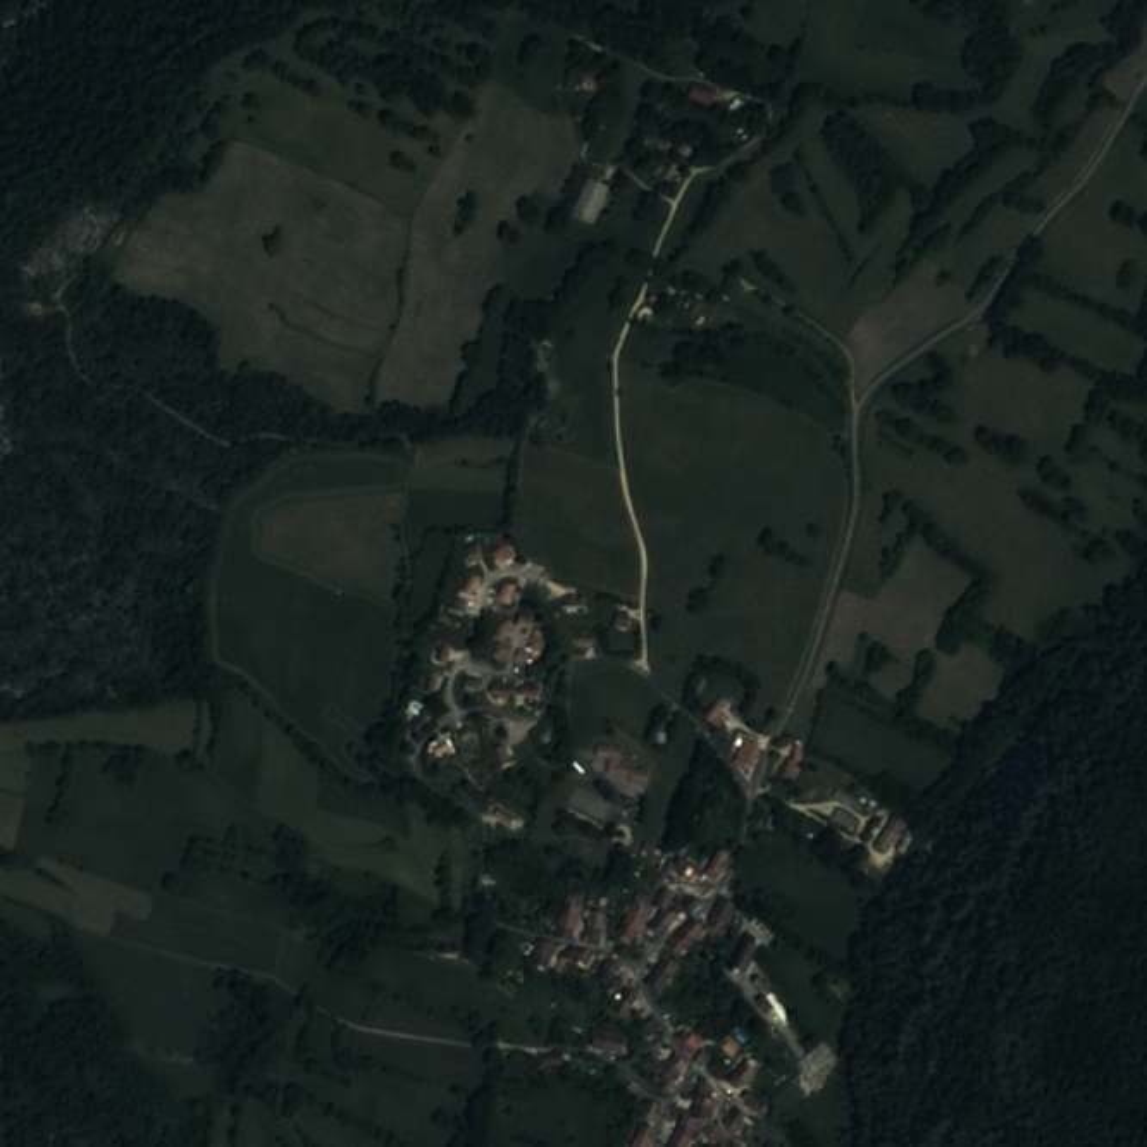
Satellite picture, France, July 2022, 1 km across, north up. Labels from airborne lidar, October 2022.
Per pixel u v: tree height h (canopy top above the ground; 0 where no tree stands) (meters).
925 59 0
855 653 0
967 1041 10
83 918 0
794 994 0
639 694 0
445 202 0
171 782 0
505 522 11
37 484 8
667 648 0
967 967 5
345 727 0
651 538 0
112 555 7
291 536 0
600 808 0
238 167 0
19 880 0
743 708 11
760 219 0
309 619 0
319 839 0
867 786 7
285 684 0
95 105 20
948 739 8
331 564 0
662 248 0
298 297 0
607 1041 0
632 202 0
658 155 8
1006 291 13
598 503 0
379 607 0
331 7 13
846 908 0
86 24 12
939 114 14
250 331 0
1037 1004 13
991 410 0
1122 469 14
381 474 0
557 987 8
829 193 0
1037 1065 10
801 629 0
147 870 0
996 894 8
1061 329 0
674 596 0
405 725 12
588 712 0
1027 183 13
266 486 0
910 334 0
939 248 7
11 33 8
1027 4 0
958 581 0
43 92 20
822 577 0
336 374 0
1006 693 17
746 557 0
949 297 0
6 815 0
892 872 6
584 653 0
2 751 0
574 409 0
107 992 0
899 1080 6
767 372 0
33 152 19
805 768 11
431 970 0
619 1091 6
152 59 19
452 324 0
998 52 14
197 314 13
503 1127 0
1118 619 28
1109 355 0
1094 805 10
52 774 0
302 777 0
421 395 0
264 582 0
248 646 0
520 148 0
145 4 17
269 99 0
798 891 0
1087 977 13
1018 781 8
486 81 9
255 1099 6
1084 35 0
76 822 0
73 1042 8
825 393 11
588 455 0
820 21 0
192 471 7
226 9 20
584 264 14
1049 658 14
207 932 0
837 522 0
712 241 0
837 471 0
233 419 6
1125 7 8
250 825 0
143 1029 0
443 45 15
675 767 0
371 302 0
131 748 11
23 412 8
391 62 18
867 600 0
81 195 9
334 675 0
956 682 0
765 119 12
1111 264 0
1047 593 0
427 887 0
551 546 0
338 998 0
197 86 8
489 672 0
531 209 14
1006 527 0
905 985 12
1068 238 0
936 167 0
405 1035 0
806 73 0
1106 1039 11
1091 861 7
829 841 16
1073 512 7
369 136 0
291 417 9
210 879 0
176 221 0
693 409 0
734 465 0
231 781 0
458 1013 8
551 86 0
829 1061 0
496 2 14
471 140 7
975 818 13
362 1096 0
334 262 0
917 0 9
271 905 0
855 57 0
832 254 0
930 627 0
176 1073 0
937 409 13
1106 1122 24
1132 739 7
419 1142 0
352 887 0
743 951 0
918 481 0
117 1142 9
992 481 0
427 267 0
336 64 12
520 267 0
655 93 17
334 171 0
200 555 9
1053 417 0
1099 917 9
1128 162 0
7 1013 9
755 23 0
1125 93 0
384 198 0
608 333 0
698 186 0
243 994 14
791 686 0
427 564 0
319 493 0
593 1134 0
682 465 0
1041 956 11
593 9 18
